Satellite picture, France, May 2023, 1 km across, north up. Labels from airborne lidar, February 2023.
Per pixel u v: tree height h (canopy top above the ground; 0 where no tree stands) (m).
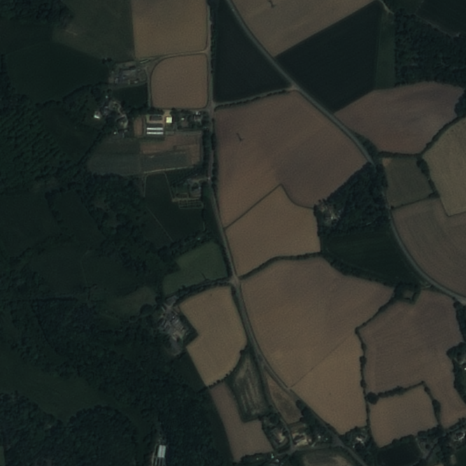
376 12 0
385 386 0
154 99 0
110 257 19
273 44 0
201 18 0
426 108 0
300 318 0
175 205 0
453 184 0
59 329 20
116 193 19
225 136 0
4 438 20
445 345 0
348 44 0
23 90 0
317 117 0
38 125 12
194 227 0
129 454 17
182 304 0
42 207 0
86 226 0
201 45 0
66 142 0
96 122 0
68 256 0
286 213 0
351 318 0
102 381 8
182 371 0
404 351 0
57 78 0
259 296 0
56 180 19
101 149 0
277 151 0
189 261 0
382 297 0
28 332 9
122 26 0
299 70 0
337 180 0
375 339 0
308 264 0
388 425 0
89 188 16
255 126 0
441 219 0
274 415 6
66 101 13
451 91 0
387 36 0
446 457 10
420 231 0
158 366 6
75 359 23
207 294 0
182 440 23
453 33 0
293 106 0
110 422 18
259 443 0
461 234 0
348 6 0
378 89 0
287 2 0
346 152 0
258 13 0
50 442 19
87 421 17
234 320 0
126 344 12
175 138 0
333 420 0
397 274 0
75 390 0
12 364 0
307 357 0
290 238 0
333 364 0
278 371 0
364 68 0
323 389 0
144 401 21
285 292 0
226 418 0
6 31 0
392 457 0
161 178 0
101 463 14
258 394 0
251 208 0
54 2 16
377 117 0
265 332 0
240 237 0
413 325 0
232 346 0
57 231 0
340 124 0
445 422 0
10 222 0
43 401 0
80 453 19
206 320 0
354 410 0
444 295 0
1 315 0
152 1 0
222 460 15
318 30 0
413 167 0
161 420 21
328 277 0
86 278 0
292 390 0
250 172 0
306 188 0
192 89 0
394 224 0
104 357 22
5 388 0
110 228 7
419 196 0
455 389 10
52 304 22
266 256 0
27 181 16
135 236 19
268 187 0
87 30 0
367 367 0
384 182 25
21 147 14
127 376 22
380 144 0
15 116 12
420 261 0
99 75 0
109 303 0
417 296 9
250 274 6
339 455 0
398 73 10
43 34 0
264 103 0
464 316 11
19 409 22
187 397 21
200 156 0
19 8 23
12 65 0
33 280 13
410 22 19
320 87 0
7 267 8
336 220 8
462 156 0
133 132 0
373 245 0
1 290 9
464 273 0
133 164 0
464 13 0
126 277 0
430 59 21
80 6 0
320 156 0
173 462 22
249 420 0
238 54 0
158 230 0
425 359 0
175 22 0
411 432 0
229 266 13
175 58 0
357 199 24
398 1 0
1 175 12
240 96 0
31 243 0
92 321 16
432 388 0
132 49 0
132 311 0
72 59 0
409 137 0
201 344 0
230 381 0
